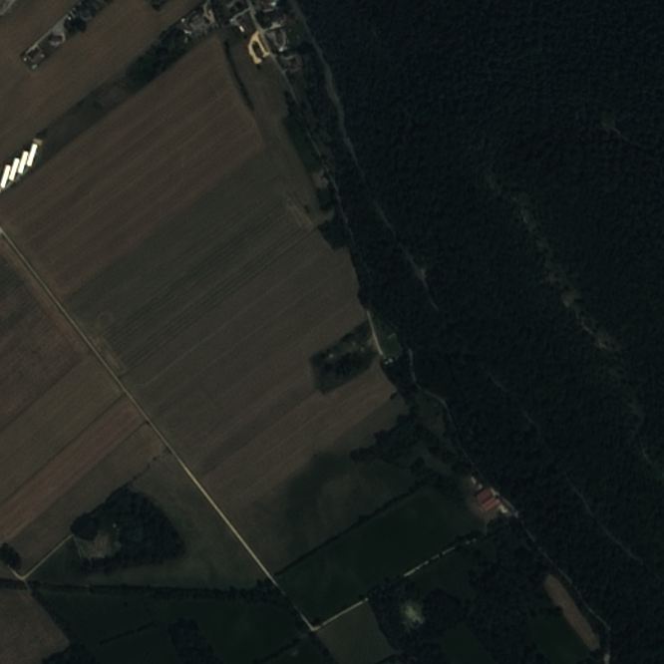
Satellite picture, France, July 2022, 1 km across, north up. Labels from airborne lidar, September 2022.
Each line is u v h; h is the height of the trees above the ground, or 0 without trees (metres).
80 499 0
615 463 19
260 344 0
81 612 0
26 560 0
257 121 0
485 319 26
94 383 0
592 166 17
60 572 0
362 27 21
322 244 0
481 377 25
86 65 0
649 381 13
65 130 0
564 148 18
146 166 0
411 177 21
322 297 0
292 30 0
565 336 18
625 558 19
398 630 23
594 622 10
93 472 0
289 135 0
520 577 28
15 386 0
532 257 14
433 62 23
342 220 14
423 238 25
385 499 0
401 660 17
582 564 21
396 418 0
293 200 0
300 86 0
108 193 0
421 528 0
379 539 0
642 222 18
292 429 0
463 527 0
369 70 21
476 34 28
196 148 0
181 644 33
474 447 15
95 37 0
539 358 25
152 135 0
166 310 0
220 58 0
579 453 22
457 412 13
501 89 25
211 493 0
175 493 0
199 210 0
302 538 0
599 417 22
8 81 0
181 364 0
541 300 16
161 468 0
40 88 0
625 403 7
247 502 0
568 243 13
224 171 0
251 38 0
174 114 0
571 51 30
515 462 17
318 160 12
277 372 0
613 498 25
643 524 20
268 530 0
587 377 18
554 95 25
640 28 23
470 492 0
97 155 0
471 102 27
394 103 23
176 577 0
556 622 0
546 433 23
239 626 0
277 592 20
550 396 20
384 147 22
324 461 0
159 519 12
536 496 20
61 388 0
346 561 0
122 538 11
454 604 16
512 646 19
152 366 0
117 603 0
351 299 0
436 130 23
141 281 0
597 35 25
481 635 21
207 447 0
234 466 0
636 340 12
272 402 0
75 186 0
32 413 0
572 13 25
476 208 24
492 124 11
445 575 0
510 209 11
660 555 19
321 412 0
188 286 0
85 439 0
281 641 0
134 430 0
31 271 0
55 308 0
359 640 0
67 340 0
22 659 0
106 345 0
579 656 0
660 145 20
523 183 14
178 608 0
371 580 0
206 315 0
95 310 0
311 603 0
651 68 20
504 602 21
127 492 7
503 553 23
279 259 0
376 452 7
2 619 0
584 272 12
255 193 0
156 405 0
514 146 16
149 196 0
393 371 16
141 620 0
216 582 0
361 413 0
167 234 0
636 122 27
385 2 18
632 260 13
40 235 0
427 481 11
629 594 25
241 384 0
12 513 0
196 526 0
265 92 0
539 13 26
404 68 18
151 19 0
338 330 0
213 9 6
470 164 16
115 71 0
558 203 13
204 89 0
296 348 0
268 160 0
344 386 0
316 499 0
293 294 0
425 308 20
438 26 23
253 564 0
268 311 0
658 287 14
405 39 22
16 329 0
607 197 14
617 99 23
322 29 22
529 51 26
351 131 21
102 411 0
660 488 18
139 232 0
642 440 7
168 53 10
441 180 22
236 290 0
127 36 0
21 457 0
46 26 0
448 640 0
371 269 23
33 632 0
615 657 14
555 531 18
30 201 0
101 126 0
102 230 0
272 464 0
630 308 14
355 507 0
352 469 0
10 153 0
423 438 12
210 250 0
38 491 0
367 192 20
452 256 26
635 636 22
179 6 0
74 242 0
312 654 0
